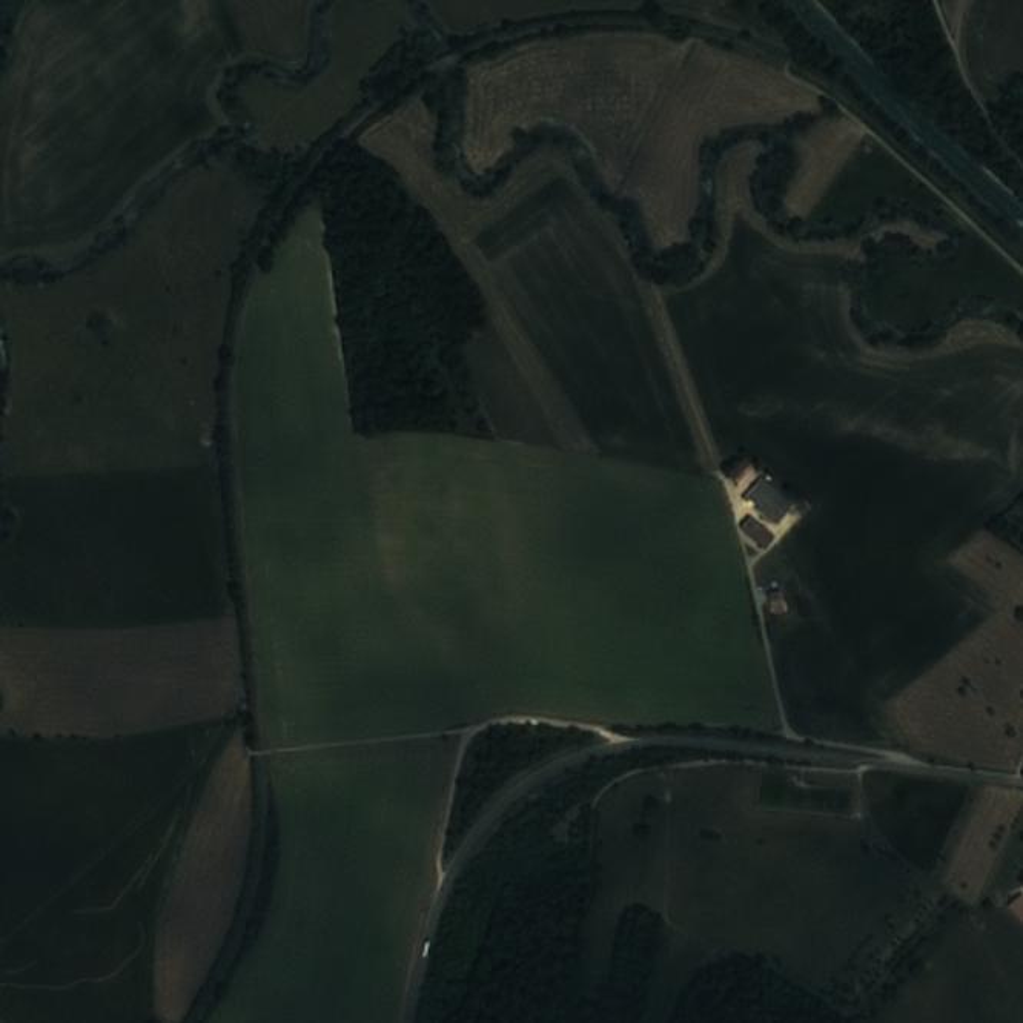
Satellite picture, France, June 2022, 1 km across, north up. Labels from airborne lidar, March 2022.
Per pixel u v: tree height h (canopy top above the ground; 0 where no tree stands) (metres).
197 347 0
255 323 0
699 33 0
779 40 0
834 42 0
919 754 0
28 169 0
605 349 0
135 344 0
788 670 0
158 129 0
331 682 0
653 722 0
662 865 0
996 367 0
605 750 0
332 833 0
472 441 0
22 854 0
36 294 0
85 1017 0
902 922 0
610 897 0
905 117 0
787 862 0
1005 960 0
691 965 0
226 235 0
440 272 13
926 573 0
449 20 0
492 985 13
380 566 0
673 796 0
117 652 0
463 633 0
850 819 0
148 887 0
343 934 0
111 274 0
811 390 0
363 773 0
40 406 0
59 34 0
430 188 0
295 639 0
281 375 0
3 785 0
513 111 0
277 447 0
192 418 0
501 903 9
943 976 0
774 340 0
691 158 0
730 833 0
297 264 0
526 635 0
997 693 0
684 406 0
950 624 0
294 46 0
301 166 12
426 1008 7
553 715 0
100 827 0
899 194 0
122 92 0
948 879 0
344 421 0
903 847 0
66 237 0
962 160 0
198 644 0
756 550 0
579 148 0
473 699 0
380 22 0
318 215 0
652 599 0
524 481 0
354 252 14
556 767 0
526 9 0
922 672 0
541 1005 18
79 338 0
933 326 7
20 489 0
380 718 0
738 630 0
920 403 0
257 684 0
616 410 0
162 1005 0
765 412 0
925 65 14
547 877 12
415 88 11
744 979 21
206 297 0
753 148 0
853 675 0
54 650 0
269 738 0
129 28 0
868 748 0
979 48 0
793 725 0
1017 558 0
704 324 0
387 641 0
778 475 0
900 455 0
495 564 0
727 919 0
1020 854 0
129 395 0
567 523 0
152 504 0
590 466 0
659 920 14
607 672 0
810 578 0
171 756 0
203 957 0
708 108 0
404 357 15
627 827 0
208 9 0
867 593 0
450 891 0
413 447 0
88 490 0
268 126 0
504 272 0
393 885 0
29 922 0
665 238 0
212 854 0
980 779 0
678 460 0
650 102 0
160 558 0
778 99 0
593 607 0
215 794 0
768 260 0
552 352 0
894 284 0
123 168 0
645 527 0
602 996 16
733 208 0
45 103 0
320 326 0
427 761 0
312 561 0
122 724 0
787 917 0
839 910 0
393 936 0
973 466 0
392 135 0
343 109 0
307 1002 0
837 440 0
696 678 0
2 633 0
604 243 0
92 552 0
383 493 0
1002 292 0
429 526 0
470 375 11
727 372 0
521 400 0
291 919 0
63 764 0
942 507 0
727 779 0
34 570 0
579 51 0
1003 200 0
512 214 0
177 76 0
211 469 0
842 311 0
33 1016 0
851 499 0
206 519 0
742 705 0
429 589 0
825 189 0
